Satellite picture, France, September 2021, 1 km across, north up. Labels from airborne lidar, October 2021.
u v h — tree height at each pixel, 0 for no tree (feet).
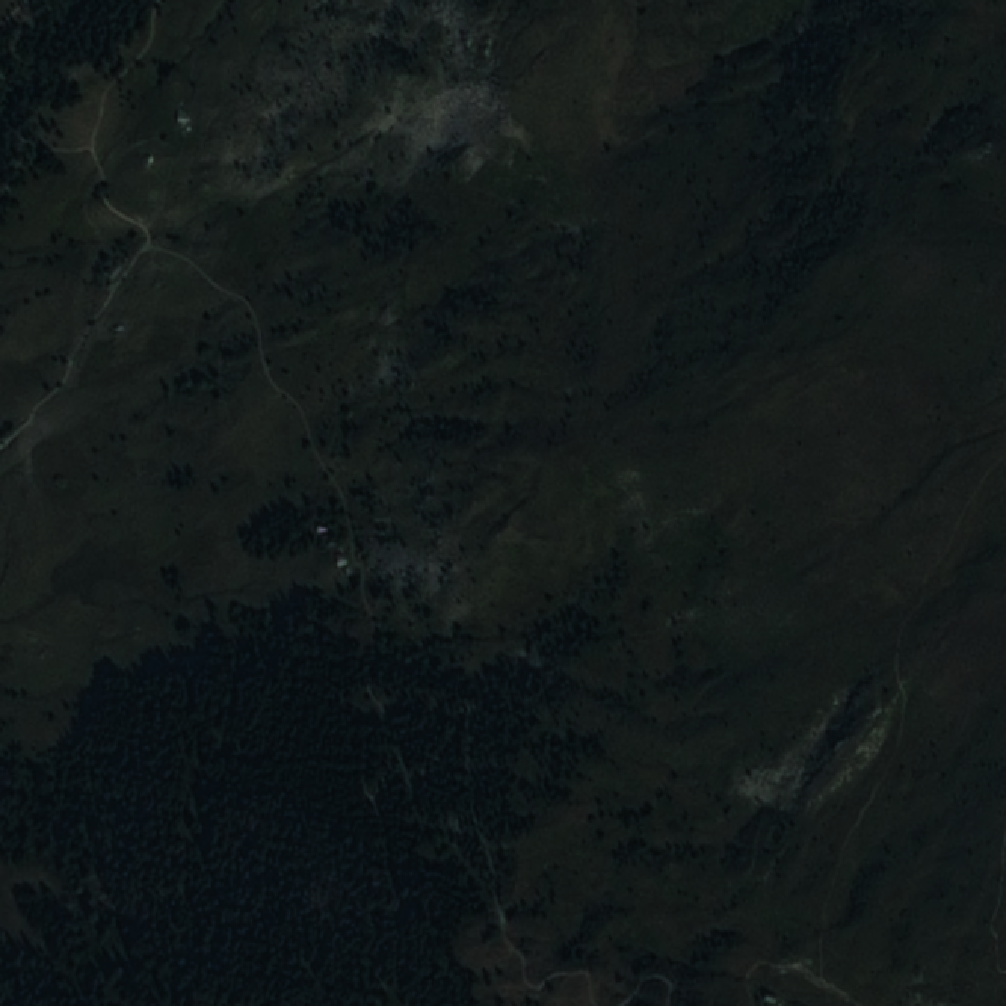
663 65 0
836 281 0
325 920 25
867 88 0
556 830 0
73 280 0
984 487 0
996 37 0
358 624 0
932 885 0
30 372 0
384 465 0
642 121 0
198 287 0
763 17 0
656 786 0
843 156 0
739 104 0
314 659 48
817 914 0
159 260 0
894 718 0
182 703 81
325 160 0
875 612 0
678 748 0
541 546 0
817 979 0
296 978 75
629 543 0
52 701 0
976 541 0
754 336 0
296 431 0
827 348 0
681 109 0
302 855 88
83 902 28
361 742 37
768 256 0
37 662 0
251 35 0
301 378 0
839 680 0
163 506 0
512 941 0
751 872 0
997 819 0
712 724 0
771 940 0
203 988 86
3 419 0
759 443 0
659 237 0
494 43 0
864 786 0
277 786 45
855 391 0
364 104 0
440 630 0
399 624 0
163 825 68
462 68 0
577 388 0
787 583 0
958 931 0
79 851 48
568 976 0
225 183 0
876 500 0
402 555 0
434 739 49
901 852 0
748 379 0
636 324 0
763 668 0
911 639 0
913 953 0
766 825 0
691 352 0
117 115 0
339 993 46
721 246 0
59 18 36
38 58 52
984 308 0
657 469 0
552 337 0
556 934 0
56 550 0
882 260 0
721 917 0
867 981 0
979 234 0
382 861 47
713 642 0
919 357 0
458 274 0
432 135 0
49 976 52
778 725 0
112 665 0
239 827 84
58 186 0
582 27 0
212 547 0
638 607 0
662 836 0
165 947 72
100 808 25
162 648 0
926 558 0
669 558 0
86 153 0
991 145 0
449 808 20
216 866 77
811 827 0
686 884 0
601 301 0
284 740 35
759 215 0
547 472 0
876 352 0
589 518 0
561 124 0
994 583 0
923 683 0
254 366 0
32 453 0
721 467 0
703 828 0
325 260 0
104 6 31
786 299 0
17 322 0
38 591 0
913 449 0
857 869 0
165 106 0
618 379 0
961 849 0
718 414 0
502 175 0
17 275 0
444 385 0
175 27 0
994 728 0
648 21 0
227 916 78
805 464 0
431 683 35
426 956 54
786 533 0
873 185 0
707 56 0
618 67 0
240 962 67
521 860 0
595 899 0
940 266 0
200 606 0
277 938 60
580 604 0
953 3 0
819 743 0
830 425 0
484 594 0
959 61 0
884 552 0
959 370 0
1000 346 0
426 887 75
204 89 0
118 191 0
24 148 23
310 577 0
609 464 0
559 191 0
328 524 25
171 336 0
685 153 0
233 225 0
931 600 0
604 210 0
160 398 0
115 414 0
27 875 0
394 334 0
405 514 0
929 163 0
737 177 0
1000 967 0
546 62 0
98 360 0
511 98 0
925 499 0
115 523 0
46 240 0
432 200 0
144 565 0
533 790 25
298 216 0
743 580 0
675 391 0
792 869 0
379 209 0
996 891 0
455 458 0
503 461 0
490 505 0
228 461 0
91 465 0
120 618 0
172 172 0
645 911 0
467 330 0
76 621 0
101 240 0
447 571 18
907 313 0
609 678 0
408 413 22
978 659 0
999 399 0
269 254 0
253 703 72
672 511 0
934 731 0
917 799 0
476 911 25
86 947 49
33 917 43
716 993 0
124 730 77
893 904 0
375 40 18
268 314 0
